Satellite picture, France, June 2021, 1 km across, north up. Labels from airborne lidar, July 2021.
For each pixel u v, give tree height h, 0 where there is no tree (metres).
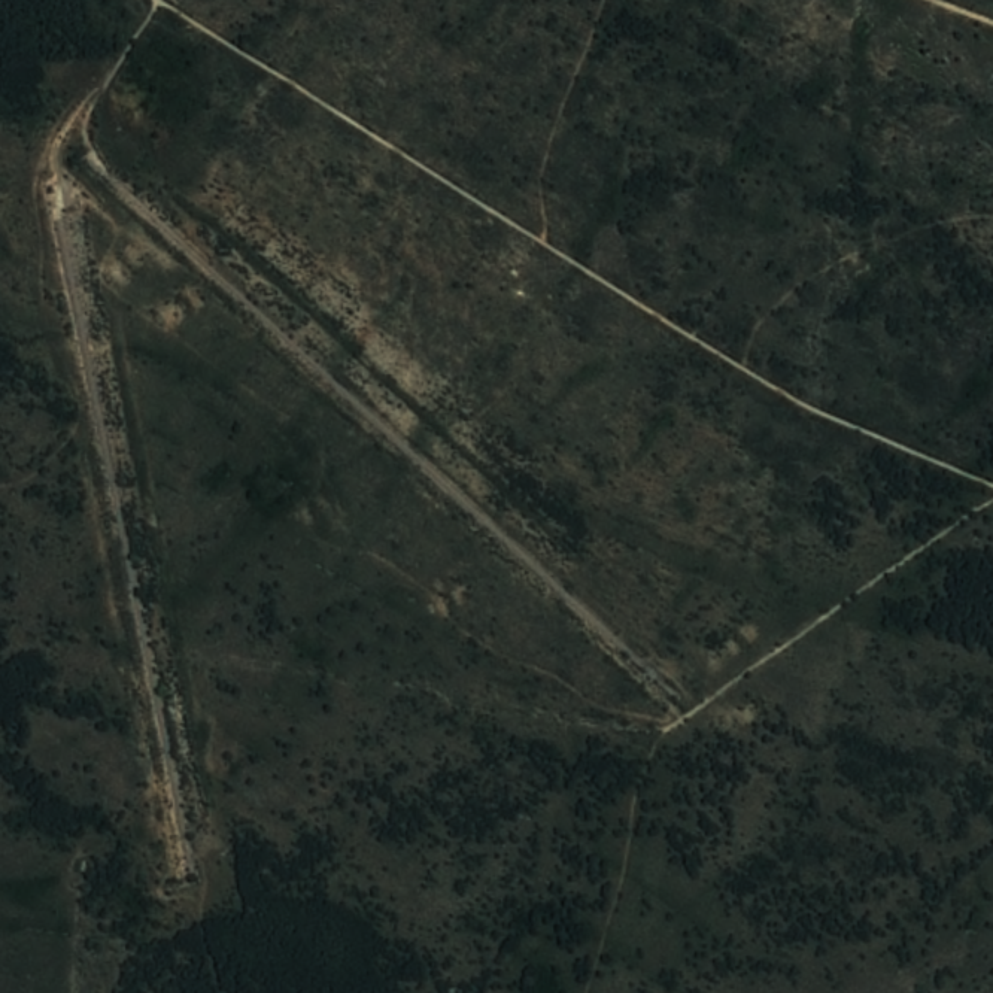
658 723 0
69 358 0
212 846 0
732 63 6
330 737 0
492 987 7
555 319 0
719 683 0
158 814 0
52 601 0
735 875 5
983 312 9
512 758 10
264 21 6
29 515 0
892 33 0
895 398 0
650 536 0
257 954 12
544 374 0
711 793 6
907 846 0
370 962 9
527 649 0
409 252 0
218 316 0
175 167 0
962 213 0
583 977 8
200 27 0
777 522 0
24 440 0
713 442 0
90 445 0
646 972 0
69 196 0
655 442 0
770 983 0
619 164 0
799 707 0
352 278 0
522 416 0
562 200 0
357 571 0
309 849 6
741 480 0
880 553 0
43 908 0
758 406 0
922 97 6
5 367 8
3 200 0
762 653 0
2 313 0
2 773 9
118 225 0
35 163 0
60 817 12
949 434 7
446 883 0
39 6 12
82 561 0
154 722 0
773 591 0
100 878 10
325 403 0
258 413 0
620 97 0
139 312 0
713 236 0
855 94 0
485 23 0
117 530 0
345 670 0
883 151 0
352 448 0
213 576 0
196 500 0
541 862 0
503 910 6
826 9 0
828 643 0
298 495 0
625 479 0
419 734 0
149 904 5
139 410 0
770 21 0
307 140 0
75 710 6
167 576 0
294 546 0
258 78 0
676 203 0
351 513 0
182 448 0
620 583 0
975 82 0
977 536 8
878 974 0
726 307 0
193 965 10
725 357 0
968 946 0
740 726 0
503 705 0
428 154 0
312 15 0
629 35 8
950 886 8
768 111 0
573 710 0
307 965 14
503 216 0
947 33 0
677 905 0
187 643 0
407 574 0
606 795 6
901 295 6
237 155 0
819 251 0
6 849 0
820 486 7
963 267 6
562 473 0
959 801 5
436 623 0
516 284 0
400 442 0
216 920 9
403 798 7
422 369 0
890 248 0
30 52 15
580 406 0
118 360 0
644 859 0
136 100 0
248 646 0
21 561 0
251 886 9
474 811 6
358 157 0
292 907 10
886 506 10
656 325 0
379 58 0
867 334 0
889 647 0
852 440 0
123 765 0
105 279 0
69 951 0
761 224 0
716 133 0
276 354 0
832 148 0
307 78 0
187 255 0
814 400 0
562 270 0
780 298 0
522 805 9
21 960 0
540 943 0
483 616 0
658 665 0
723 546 0
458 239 0
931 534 8
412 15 0
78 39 9
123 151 0
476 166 0
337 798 7
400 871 0
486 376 0
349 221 0
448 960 6
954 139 0
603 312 0
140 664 0
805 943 7
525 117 0
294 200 0
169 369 0
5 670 13
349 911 7
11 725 7
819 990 0
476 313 0
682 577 0
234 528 0
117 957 0
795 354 0
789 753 0
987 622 10
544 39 0
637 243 0
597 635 0
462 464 0
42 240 0
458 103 0
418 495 0
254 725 0
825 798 0
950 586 10
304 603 0
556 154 0
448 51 0
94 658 0
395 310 0
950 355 0
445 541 0
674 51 0
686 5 0
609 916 0
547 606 0
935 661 0
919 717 0
